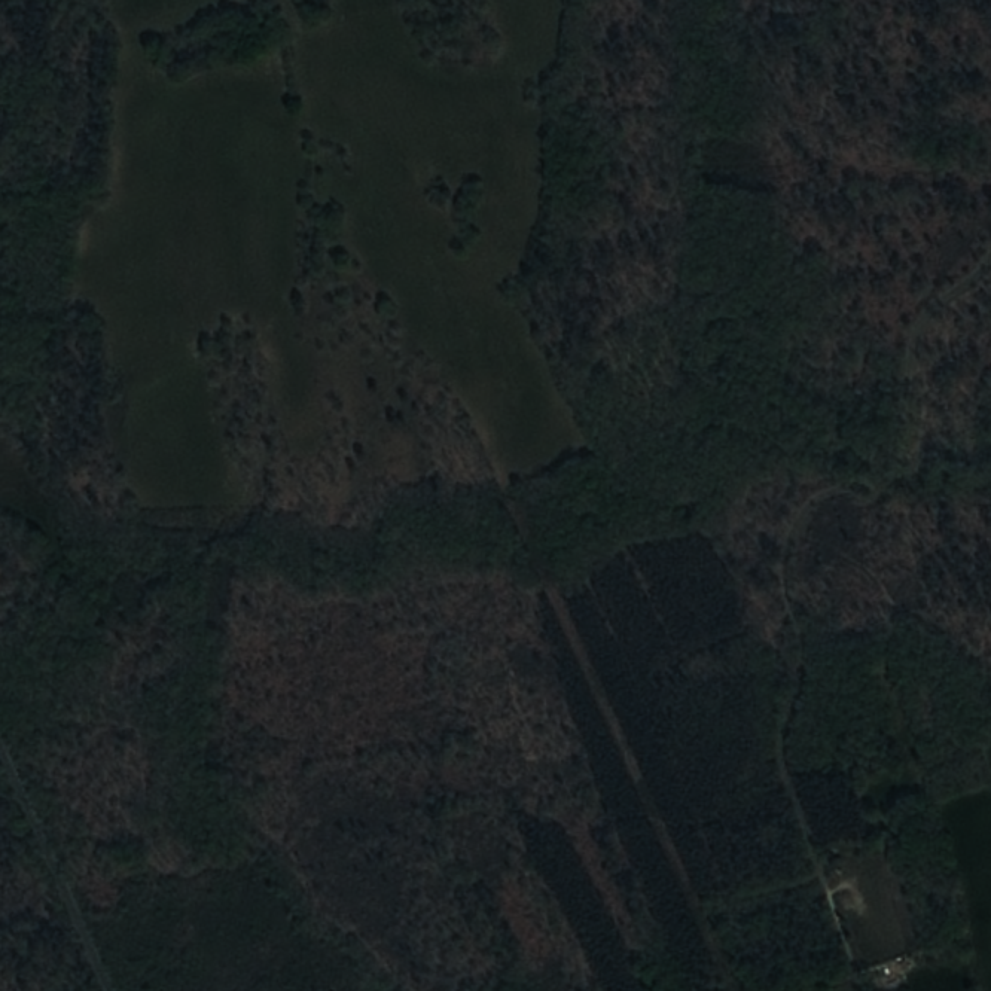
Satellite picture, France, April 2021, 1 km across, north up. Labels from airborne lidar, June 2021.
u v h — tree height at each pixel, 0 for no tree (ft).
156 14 0
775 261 70
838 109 46
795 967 53
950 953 47
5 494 0
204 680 58
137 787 52
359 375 0
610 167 59
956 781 60
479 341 0
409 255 0
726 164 19
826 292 51
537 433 0
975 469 90
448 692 39
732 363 87
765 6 21
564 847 58
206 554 32
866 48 29
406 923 33
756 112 54
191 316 0
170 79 32
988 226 0
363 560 53
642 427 53
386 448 0
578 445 0
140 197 0
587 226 58
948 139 45
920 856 72
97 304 0
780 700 56
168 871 41
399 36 0
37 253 53
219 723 57
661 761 51
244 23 68
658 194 59
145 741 42
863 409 64
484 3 50
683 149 67
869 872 0
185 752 54
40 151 61
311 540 50
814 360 54
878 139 50
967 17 29
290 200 0
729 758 56
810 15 40
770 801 47
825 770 28
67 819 59
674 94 64
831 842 58
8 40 47
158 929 23
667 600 52
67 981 48
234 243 0
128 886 26
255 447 30
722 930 69
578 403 53
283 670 21
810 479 32
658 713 57
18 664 52
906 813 81
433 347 0
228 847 69
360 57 0
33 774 52
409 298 0
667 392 61
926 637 52
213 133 0
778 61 55
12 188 47
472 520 63
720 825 46
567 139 48
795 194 31
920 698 62
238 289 0
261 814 43
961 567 56
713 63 70
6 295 81
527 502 63
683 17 57
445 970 29
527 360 0
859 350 62
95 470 41
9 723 52
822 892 31
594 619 55
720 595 54
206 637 57
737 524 53
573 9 51
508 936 61
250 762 28
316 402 0
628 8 22
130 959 24
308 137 38
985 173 48
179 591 59
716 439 89
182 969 22
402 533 85
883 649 69
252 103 0
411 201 0
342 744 31
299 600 37
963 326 42
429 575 49
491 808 21
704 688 43
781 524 44
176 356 0
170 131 0
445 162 0
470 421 54
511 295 49
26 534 55
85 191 61
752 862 66
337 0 0
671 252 57
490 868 29
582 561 57
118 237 0
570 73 58
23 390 59
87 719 37
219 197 0
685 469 90
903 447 58
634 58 63
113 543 68
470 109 0
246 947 26
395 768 53
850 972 71
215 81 0
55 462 54
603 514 67
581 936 47
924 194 60
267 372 51
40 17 77
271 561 77
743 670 41
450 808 40
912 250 51
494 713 21
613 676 44
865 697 75
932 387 39
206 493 0
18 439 59
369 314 0
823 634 52
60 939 70
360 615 21
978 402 34
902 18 41
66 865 55
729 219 62
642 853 53
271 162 0
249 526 33
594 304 44
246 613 22
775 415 81
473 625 32
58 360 74
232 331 42
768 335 79
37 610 47
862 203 32
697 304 54
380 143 0
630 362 43
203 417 0
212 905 20
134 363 0
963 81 54
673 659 50
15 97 73
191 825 56
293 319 0
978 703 63
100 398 53
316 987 17
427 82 0
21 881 51
